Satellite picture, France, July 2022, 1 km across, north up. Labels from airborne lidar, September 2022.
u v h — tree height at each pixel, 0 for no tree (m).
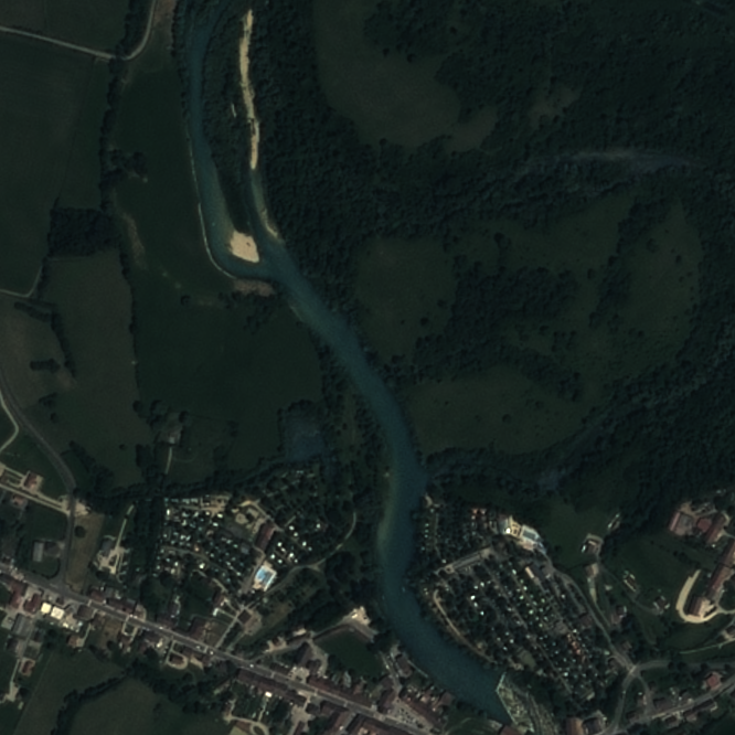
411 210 9
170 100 0
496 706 0
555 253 0
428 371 12
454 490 13
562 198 19
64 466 0
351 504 17
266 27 10
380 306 0
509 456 6
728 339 19
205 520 13
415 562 16
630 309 0
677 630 12
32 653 0
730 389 14
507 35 18
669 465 10
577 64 5
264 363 0
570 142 16
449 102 0
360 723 0
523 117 10
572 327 0
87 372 0
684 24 8
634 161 0
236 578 14
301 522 15
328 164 15
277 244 0
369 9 0
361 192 10
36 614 0
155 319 0
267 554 10
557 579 11
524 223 7
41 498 0
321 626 15
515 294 23
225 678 7
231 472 12
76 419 0
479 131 0
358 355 0
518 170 17
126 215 0
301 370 0
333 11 0
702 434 9
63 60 0
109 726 0
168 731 0
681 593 0
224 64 11
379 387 0
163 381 0
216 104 10
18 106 0
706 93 17
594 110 6
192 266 0
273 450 0
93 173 0
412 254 0
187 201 0
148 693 0
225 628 0
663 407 19
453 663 0
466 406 0
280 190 17
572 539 0
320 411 9
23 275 0
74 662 0
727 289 11
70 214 10
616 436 13
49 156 0
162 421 14
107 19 0
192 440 0
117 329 0
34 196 0
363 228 9
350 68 0
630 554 0
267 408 0
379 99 0
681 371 8
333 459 9
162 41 0
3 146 0
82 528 10
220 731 0
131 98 0
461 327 16
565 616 7
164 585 18
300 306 0
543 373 17
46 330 0
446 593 12
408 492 0
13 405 0
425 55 6
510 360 17
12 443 0
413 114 0
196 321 0
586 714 12
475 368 15
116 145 0
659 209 18
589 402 0
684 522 0
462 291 16
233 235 0
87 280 0
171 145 0
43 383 0
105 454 0
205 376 0
